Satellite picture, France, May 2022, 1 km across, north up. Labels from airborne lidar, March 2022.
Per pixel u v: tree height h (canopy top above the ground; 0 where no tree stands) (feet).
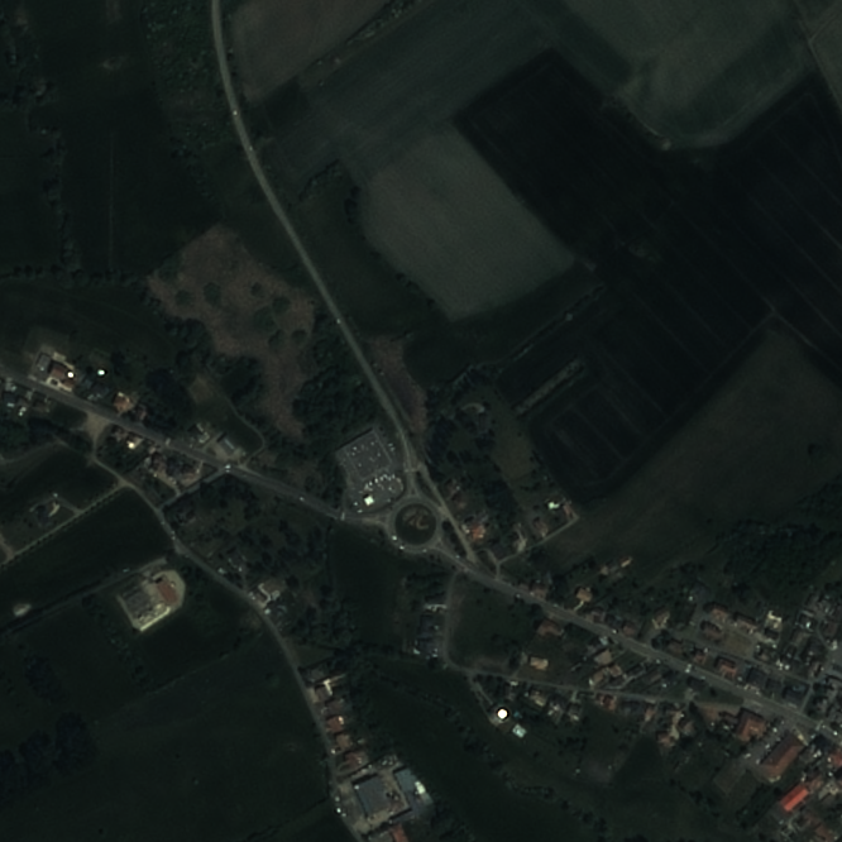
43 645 0
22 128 0
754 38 0
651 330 0
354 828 0
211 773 0
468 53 0
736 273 0
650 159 0
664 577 0
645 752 0
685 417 0
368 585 0
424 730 0
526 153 0
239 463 0
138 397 0
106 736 0
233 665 0
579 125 0
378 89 0
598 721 0
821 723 0
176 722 0
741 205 0
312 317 0
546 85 0
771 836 0
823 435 0
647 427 0
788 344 0
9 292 0
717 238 0
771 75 0
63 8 0
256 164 0
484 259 0
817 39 0
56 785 0
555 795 44
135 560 0
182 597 0
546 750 0
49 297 0
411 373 0
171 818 0
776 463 0
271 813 0
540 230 0
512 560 0
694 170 0
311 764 0
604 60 0
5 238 0
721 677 0
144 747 0
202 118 0
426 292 0
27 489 0
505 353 0
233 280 0
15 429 56
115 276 22
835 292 0
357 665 45
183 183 0
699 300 0
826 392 0
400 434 0
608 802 0
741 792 0
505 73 0
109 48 0
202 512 0
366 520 0
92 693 0
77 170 0
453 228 0
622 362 0
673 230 0
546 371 0
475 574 0
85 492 0
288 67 0
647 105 0
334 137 0
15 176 0
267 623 0
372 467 0
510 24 0
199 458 0
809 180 0
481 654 0
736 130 0
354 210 52
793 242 0
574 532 0
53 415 0
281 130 0
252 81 0
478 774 0
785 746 0
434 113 0
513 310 0
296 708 0
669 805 0
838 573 0
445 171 0
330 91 0
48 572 0
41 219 0
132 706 0
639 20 0
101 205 0
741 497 0
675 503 0
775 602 0
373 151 0
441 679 0
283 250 0
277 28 0
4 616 0
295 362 0
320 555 57
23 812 0
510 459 0
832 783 0
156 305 26
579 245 0
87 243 0
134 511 0
